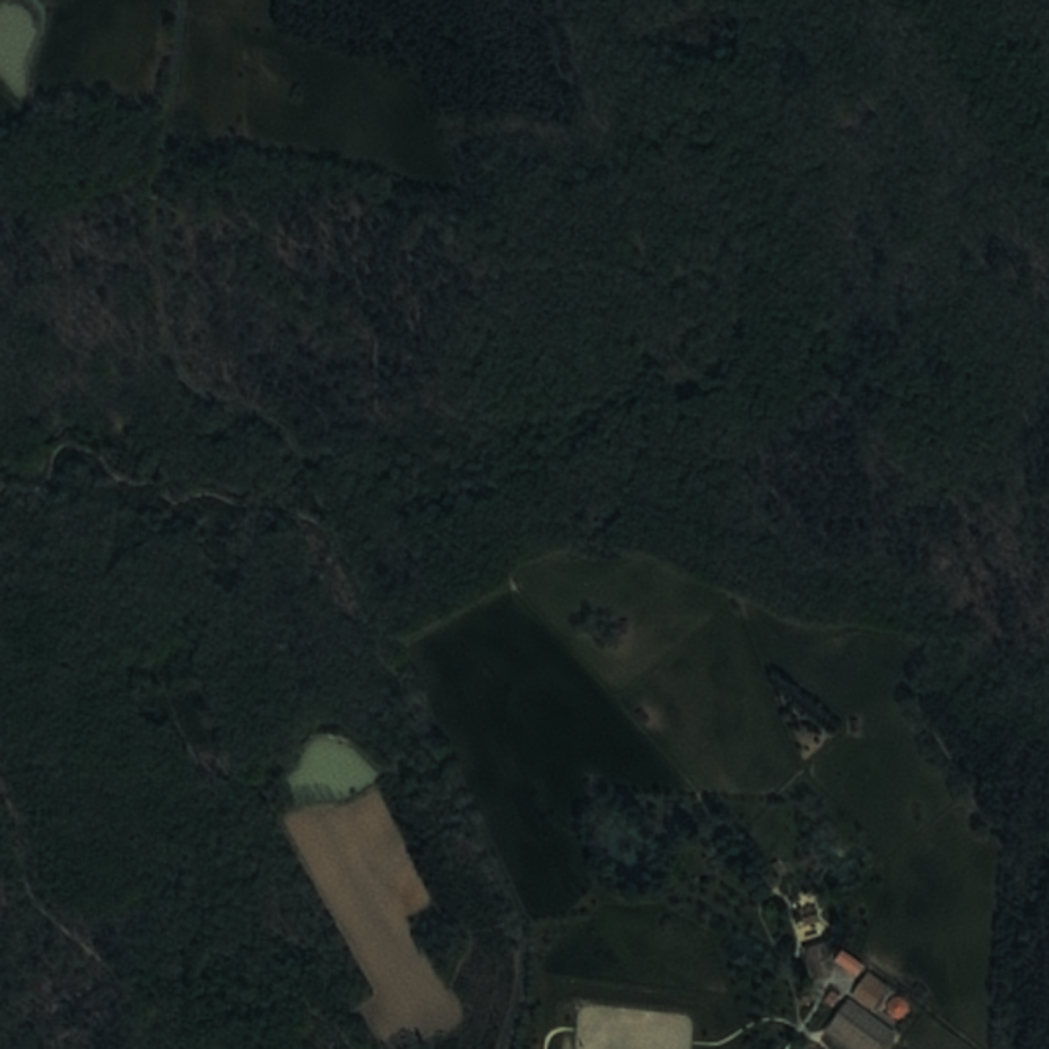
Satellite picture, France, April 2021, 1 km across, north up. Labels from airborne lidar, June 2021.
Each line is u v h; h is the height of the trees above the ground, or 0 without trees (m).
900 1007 0
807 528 16
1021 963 20
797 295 23
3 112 0
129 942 16
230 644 24
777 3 22
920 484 21
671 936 0
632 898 19
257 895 21
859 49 21
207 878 19
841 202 17
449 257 20
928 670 24
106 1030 11
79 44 0
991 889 0
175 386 21
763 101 22
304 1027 15
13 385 15
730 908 14
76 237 11
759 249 22
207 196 18
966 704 20
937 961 0
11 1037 15
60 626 17
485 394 21
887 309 18
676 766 0
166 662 7
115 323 14
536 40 17
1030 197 20
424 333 25
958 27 24
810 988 18
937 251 19
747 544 23
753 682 0
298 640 20
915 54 20
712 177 25
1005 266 24
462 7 16
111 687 21
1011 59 22
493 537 21
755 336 20
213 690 22
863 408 23
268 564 21
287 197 15
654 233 23
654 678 0
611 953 0
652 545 19
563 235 21
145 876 18
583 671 0
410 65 18
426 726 19
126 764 19
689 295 15
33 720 17
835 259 19
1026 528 13
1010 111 24
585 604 0
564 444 18
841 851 7
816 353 18
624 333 21
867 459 16
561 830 0
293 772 9
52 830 20
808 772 0
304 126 0
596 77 14
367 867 0
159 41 0
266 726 24
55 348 15
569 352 22
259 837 16
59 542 16
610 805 22
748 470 16
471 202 19
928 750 18
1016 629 23
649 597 0
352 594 17
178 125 13
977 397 17
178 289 16
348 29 19
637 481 23
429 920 11
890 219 18
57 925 12
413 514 17
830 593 23
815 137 19
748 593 24
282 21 18
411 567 19
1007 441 18
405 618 21
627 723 0
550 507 22
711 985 0
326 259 14
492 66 19
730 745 0
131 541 14
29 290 19
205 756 0
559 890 0
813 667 0
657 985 0
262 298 13
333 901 0
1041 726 22
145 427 22
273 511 17
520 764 0
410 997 0
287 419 7
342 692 25
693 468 20
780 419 17
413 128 0
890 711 0
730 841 22
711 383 26
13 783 20
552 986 0
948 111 19
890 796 0
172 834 17
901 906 0
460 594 22
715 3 14
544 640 0
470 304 24
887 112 20
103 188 19
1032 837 10
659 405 28
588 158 16
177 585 22
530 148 18
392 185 16
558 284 18
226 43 0
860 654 0
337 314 14
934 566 27
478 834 15
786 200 19
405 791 6
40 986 12
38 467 24
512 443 18
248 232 17
